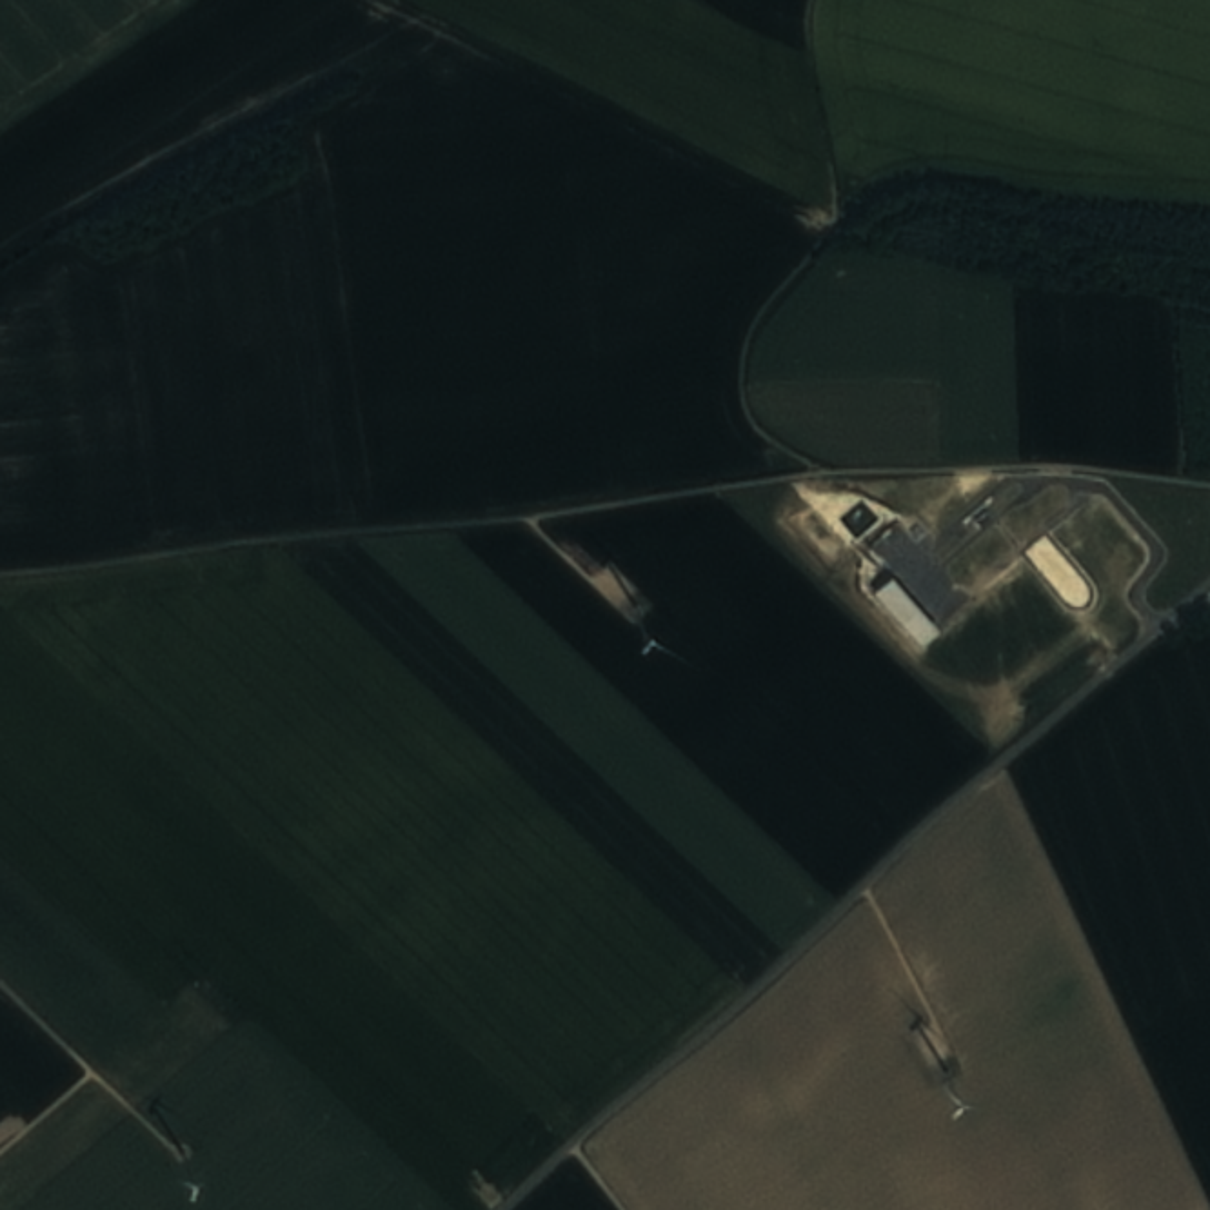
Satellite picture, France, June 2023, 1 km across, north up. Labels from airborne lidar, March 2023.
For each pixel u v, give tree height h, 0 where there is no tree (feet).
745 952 0
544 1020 0
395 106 0
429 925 0
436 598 0
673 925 0
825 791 0
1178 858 0
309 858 0
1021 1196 0
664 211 0
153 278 0
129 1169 0
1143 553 0
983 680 0
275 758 0
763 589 0
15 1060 0
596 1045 0
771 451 0
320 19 0
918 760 0
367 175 0
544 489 0
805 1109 0
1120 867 0
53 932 0
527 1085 0
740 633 0
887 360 0
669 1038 0
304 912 0
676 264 0
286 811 0
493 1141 0
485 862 0
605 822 0
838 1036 0
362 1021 0
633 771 0
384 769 0
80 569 0
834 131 0
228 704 0
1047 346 0
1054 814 0
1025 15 0
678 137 0
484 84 0
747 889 0
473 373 0
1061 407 0
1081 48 0
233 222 0
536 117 0
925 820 0
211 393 0
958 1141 0
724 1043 0
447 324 0
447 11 0
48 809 0
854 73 0
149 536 0
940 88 0
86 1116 0
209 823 0
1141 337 0
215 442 0
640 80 0
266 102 0
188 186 64
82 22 0
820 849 0
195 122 0
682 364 0
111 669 0
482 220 0
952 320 0
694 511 0
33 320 0
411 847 0
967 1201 0
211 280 0
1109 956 0
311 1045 0
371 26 0
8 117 0
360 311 0
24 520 0
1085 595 0
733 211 0
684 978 0
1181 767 0
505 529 0
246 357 0
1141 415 0
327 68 0
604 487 0
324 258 0
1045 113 0
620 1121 0
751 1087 0
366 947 0
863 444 0
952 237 51
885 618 0
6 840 0
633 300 0
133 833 0
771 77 0
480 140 0
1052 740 0
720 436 0
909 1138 0
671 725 0
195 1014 0
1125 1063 0
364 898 0
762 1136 0
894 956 0
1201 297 36
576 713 0
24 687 0
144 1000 0
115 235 58
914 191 41
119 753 0
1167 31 0
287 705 0
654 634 0
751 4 0
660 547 0
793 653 0
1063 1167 0
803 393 0
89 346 0
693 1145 0
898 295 0
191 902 0
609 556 0
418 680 0
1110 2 0
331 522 0
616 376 0
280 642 0
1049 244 42
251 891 0
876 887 0
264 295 0
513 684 0
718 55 0
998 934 0
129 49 0
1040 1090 0
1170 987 0
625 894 0
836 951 0
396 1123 0
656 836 0
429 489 0
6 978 0
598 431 0
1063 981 0
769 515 0
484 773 0
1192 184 0
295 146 57
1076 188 0
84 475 0
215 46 0
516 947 0
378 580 0
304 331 0
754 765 0
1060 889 0
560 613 0
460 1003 0
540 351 0
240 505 0
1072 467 0
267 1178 0
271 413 0
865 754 0
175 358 0
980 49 0
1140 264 44
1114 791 0
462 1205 0
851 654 0
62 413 0
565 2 0
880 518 0
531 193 0
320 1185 0
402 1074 0
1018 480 0
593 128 0
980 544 0
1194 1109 0
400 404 0
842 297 0
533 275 0
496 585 0
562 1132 0
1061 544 0
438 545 0
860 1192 0
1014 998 0
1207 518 0
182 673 0
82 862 0
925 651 0
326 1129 0
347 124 0
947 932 0
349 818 0
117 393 0
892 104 0
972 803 0
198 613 0
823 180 0
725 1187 0
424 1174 0
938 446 0
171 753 0
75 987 0
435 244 0
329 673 0
